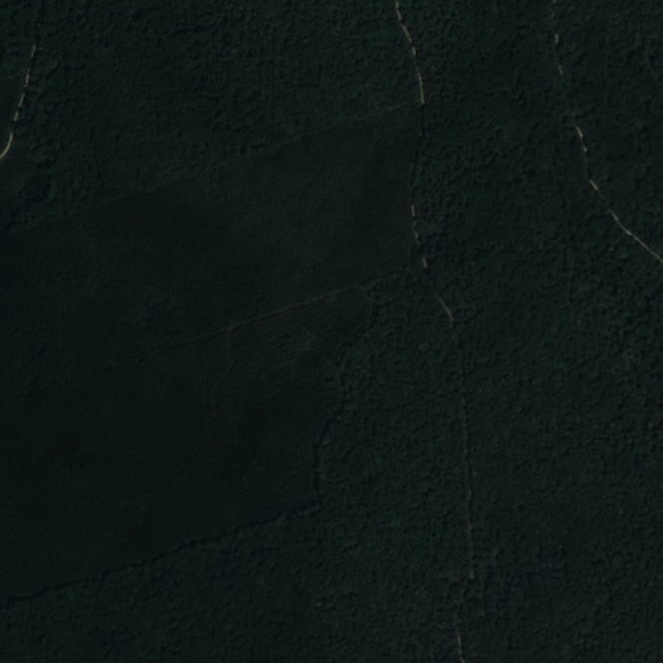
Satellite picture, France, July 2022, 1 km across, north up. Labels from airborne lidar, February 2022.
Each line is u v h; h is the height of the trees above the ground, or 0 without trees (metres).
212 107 23
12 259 14
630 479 20
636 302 24
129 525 8
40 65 18
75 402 7
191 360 7
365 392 19
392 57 13
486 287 17
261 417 6
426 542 14
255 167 8
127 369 7
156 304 9
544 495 16
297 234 10
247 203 7
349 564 18
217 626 20
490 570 9
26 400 9
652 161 19
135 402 6
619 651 16
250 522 6
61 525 8
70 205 21
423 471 15
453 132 25
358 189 7
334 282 10
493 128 20
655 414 21
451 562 16
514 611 15
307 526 25
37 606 23
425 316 20
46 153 26
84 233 9
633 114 19
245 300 13
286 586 22
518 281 19
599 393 21
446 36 13
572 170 21
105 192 20
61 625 23
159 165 21
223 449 7
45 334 12
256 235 9
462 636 12
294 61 17
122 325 13
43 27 21
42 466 6
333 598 17
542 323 17
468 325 16
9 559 8
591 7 17
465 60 18
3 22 28
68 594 23
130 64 22
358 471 18
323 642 17
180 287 12
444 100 20
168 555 16
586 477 18
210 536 7
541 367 16
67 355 12
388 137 8
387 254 10
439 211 7
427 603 15
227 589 22
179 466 7
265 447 6
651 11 13
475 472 17
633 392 18
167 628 18
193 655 20
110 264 9
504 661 16
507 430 18
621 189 16
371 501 17
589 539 19
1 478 6
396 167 8
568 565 20
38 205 25
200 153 21
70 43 28
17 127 23
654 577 12
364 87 12
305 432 5
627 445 19
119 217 14
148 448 6
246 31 20
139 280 13
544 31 17
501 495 17
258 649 23
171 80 23
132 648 26
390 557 18
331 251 9
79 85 27
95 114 28
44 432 8
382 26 14
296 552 22
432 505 15
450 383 23
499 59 21
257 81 16
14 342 11
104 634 26
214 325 11
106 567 7
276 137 21
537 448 16
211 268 13
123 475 6
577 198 20
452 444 15
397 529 18
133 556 9
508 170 23
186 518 6
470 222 20
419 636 16
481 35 18
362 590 17
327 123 10
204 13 16
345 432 17
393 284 19
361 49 16
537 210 22
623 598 19
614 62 21
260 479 5
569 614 17
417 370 19
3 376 16
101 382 7
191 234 13
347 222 9
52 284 18
